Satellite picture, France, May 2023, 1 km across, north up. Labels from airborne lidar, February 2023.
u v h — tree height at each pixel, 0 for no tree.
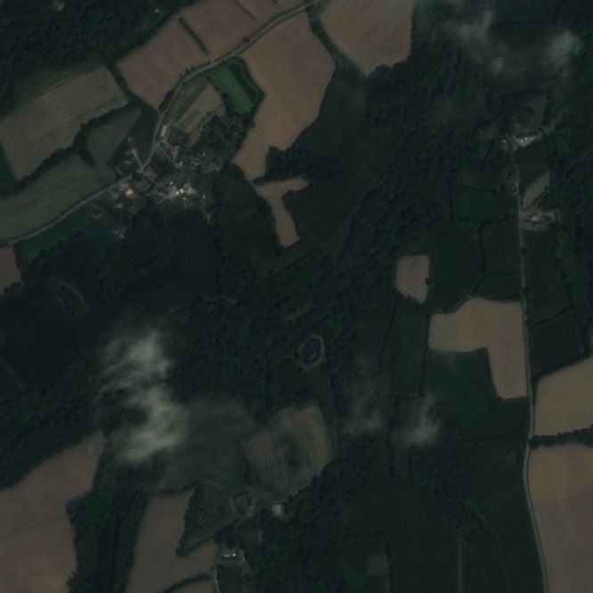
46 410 13
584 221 14
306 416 0
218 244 19
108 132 0
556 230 15
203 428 0
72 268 0
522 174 0
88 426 16
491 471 0
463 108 10
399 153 6
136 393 7
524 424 0
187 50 0
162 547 0
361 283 24
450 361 0
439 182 0
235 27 0
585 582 0
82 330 0
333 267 22
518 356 0
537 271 0
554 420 0
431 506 0
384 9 0
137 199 0
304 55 0
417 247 0
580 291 0
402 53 0
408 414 0
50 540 0
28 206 0
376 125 10
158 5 17
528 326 11
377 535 14
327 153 0
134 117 0
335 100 0
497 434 0
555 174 7
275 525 19
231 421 0
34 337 0
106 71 0
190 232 0
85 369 18
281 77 0
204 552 0
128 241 11
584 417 0
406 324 0
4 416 12
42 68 8
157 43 0
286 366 0
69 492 0
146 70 0
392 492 0
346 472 25
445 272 0
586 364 0
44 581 0
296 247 8
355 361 15
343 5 0
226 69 0
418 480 16
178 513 0
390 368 0
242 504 0
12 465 18
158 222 14
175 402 21
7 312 0
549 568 0
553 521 0
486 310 0
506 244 0
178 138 0
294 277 6
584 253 19
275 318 23
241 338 21
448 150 9
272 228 9
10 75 22
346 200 0
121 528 18
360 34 0
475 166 12
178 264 0
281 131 0
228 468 0
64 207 0
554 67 0
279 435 0
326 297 18
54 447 16
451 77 11
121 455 8
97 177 0
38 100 0
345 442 19
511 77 0
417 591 0
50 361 0
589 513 0
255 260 0
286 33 0
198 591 0
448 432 18
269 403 17
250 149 0
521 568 0
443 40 15
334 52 8
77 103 0
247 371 8
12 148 0
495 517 0
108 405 20
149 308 0
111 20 19
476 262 0
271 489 0
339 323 8
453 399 0
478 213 0
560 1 17
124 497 13
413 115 14
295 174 21
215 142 9
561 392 0
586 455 0
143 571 0
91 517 19
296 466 0
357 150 0
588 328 8
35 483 0
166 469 0
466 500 7
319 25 24
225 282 20
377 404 12
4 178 18
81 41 23
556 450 0
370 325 0
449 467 17
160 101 0
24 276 13
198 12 0
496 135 0
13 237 0
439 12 7
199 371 20
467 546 0
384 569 0
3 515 0
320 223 0
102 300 0
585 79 7
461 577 0
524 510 0
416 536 0
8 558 0
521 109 12
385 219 19
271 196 0
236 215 0
